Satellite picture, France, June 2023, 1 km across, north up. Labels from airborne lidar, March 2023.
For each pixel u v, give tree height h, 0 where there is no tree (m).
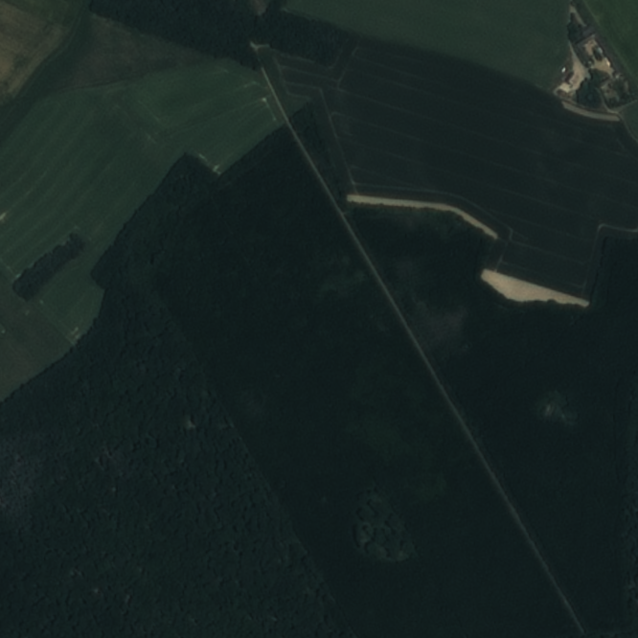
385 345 6
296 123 11
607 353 9
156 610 21
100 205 0
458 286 6
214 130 0
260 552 23
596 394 11
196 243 10
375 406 11
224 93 0
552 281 0
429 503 12
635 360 10
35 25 0
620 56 0
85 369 21
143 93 0
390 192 0
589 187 0
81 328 0
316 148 6
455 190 0
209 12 19
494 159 0
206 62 0
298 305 7
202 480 26
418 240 5
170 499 7
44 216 0
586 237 0
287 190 7
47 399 24
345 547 10
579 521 11
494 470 9
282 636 17
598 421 11
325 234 6
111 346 24
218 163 0
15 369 0
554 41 0
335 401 11
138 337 24
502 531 8
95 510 26
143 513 26
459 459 8
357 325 7
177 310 11
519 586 10
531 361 6
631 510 20
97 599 25
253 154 8
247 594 25
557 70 0
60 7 0
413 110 0
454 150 0
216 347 7
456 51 0
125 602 23
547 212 0
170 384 31
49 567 24
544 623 9
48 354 0
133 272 22
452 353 6
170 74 0
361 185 0
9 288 0
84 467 23
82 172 0
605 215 0
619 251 11
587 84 13
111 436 22
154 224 16
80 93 0
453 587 10
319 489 10
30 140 0
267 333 7
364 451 11
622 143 0
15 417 23
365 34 0
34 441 22
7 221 0
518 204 0
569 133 0
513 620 8
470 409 11
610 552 11
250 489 24
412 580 9
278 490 8
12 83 0
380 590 10
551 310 8
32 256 0
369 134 0
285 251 7
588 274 0
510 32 0
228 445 25
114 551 23
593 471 8
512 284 0
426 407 8
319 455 8
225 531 18
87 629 24
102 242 0
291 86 0
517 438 10
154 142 0
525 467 8
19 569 28
